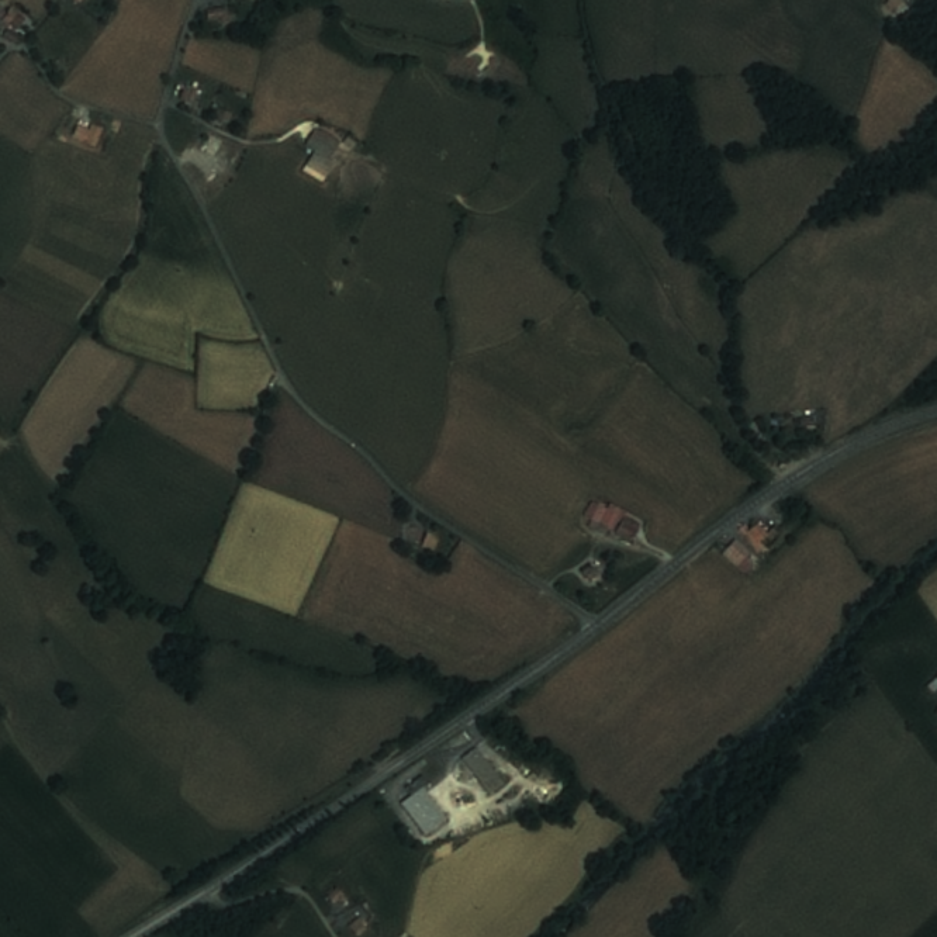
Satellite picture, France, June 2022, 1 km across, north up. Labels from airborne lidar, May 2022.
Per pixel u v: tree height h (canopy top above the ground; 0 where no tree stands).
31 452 0
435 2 0
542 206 0
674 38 0
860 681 22
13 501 0
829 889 0
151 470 0
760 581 0
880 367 0
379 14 0
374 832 0
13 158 0
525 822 23
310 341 0
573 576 0
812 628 0
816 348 0
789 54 0
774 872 0
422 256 0
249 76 0
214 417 0
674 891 0
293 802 0
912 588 17
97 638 0
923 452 0
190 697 15
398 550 17
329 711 0
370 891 0
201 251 0
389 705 0
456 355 0
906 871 0
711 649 0
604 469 0
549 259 10
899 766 0
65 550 0
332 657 0
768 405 0
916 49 12
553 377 0
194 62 0
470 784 0
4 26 0
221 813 0
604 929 0
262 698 0
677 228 20
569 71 0
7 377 0
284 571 0
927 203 0
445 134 0
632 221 0
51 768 0
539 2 0
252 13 8
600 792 14
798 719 19
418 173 0
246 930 11
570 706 0
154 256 0
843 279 0
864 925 0
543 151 0
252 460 22
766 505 0
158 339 0
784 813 0
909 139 17
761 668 0
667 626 0
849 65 0
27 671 0
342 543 0
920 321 0
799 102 18
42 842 0
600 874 22
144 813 0
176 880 13
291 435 0
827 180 0
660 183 19
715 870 22
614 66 0
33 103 0
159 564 0
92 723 0
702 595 0
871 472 0
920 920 0
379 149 0
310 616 0
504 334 0
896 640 0
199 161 0
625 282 0
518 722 9
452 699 7
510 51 0
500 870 0
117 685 0
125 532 0
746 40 0
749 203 0
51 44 0
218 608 0
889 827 0
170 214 0
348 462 0
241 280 0
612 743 0
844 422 0
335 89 0
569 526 0
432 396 0
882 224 0
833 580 0
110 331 0
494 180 0
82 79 0
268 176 0
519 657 0
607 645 0
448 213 0
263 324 0
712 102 0
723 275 11
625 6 0
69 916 0
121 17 0
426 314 0
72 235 0
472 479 0
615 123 16
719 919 0
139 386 0
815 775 0
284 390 0
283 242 0
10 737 0
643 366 0
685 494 0
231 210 0
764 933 0
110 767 0
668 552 0
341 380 0
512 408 0
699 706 0
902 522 0
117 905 0
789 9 0
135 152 0
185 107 8
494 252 0
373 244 0
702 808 20
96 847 0
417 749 0
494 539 0
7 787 0
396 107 0
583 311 0
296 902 7
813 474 0
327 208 0
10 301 0
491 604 0
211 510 0
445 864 0
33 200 0
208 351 0
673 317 0
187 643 22
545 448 0
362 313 0
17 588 0
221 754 0
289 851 14
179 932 12
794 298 0
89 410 0
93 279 0
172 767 0
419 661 14
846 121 9
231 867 7
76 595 0
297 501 0
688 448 0
